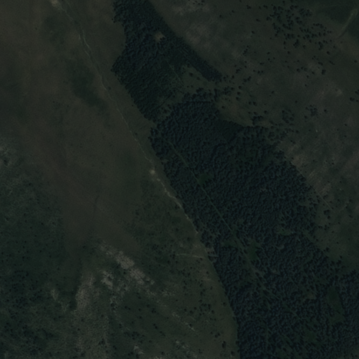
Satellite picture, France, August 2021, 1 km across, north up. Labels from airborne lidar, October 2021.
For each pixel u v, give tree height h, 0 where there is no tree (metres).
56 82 0
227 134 12
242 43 0
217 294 0
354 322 22
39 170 0
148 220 0
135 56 21
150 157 0
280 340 29
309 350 25
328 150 0
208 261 0
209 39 0
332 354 24
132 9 8
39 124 0
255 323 9
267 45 0
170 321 0
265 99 0
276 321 23
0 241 0
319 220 0
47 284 0
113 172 0
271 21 9
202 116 20
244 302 27
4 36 0
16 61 0
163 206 0
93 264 0
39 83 0
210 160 8
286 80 0
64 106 0
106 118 0
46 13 0
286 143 0
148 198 0
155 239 0
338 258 0
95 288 0
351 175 0
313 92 0
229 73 0
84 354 7
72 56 0
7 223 0
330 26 0
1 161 0
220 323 0
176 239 0
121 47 0
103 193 0
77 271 0
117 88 0
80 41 0
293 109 0
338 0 0
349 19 0
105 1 0
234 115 0
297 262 21
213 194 25
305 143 0
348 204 0
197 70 7
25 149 0
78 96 0
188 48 9
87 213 0
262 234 18
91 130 0
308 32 8
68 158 0
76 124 0
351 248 0
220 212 15
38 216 0
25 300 11
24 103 0
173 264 0
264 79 0
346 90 0
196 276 0
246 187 27
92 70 0
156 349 0
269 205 24
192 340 0
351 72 0
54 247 0
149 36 18
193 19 0
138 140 0
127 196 0
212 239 20
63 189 0
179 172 19
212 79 13
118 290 0
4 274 0
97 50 0
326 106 0
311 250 14
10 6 0
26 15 0
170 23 0
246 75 0
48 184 0
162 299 0
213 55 0
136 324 0
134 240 0
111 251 0
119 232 0
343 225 0
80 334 0
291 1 8
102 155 0
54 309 0
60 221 0
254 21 0
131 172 0
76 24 0
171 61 7
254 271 0
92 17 0
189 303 0
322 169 0
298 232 19
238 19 0
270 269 23
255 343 25
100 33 0
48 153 0
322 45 11
